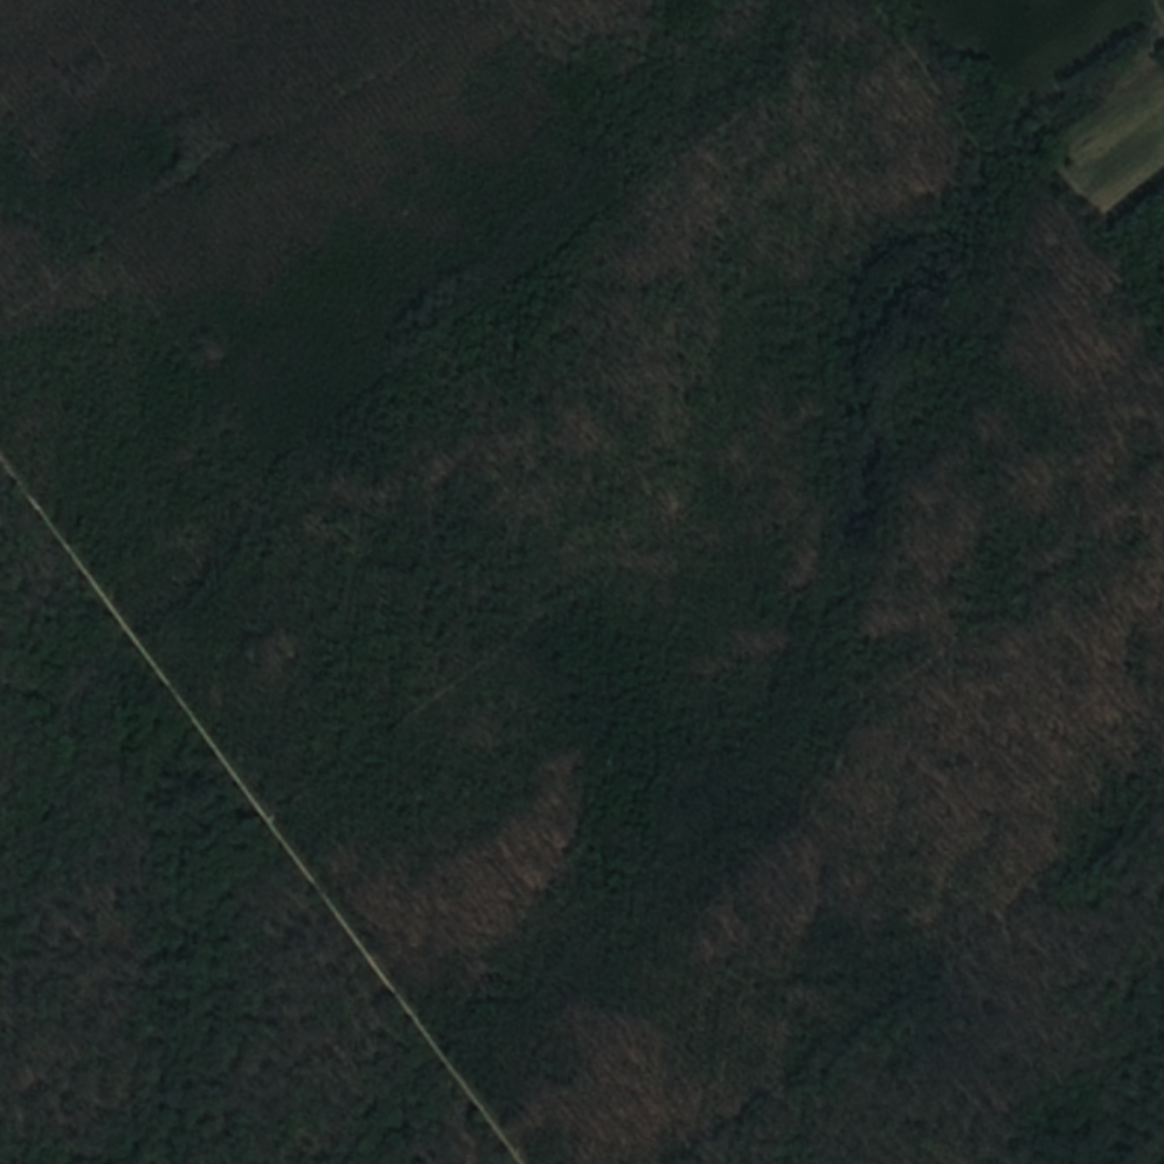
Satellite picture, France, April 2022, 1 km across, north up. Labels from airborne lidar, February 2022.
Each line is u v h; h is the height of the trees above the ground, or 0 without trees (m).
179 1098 26
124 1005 24
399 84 10
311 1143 29
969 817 0
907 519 22
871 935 20
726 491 20
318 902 24
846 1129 29
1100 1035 28
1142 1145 26
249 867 26
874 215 23
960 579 20
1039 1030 28
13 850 24
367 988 19
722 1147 25
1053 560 22
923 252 27
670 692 16
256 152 12
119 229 12
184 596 18
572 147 13
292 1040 28
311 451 18
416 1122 25
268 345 12
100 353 20
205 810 31
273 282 15
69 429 20
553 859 22
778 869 0
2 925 19
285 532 17
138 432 18
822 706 19
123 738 25
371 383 12
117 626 22
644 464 18
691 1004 17
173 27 13
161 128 11
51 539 23
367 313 11
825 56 22
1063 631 22
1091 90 19
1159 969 27
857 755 0
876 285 20
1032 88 0
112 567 16
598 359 18
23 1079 26
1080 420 0
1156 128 0
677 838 20
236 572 21
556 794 24
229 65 12
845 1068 24
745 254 19
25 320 21
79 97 16
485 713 19
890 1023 23
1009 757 18
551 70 15
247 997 24
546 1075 18
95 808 26
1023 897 0
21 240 25
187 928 23
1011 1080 29
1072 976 31
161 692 21
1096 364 0
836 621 15
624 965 17
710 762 19
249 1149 27
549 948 17
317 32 13
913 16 23
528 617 16
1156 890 28
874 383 27
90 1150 25
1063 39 0
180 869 28
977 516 21
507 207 11
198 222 13
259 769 15
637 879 15
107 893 30
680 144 20
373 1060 29
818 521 22
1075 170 12
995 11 0
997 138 21
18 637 21
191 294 13
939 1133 30
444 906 0
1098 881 26
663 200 0
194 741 22
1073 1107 28
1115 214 0
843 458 8
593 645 18
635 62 27
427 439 23
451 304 26
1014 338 23
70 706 31
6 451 20
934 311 29
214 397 15
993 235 21
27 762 29
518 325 18
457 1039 22
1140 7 0
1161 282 25
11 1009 21
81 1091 25
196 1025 30
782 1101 27
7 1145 26
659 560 23
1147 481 25
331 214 13
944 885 0
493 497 20
